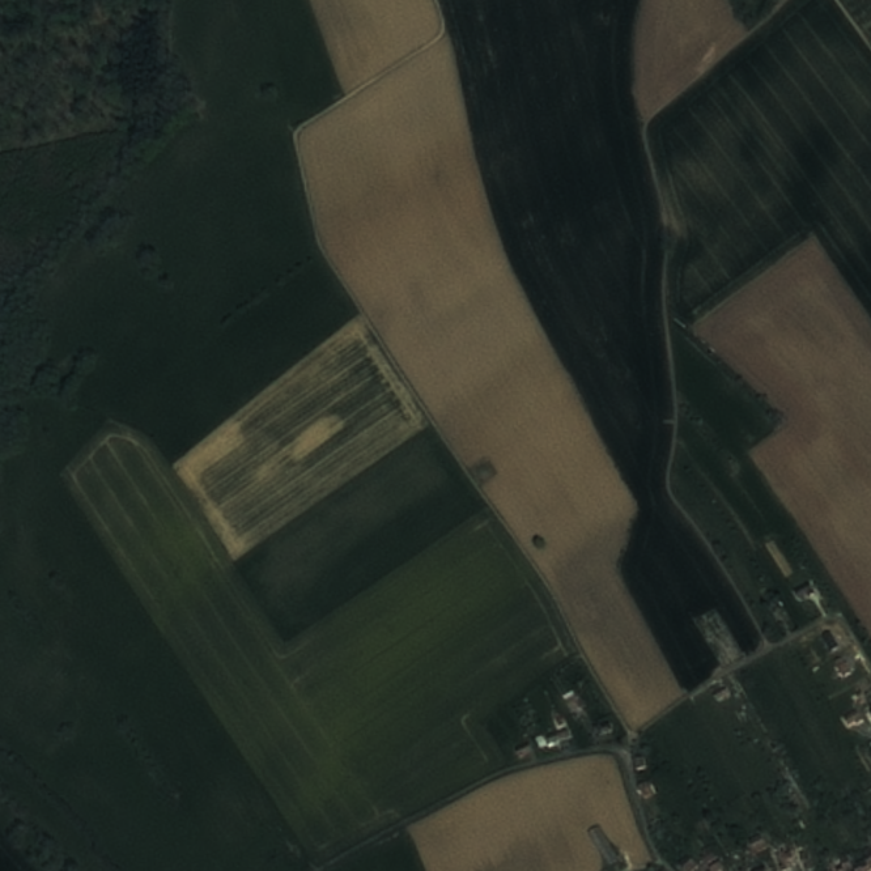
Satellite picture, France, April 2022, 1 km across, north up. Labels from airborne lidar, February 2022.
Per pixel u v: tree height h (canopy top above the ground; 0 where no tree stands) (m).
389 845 0
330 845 0
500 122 0
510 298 0
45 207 9
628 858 0
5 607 0
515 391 0
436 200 0
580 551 0
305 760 0
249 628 0
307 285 0
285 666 0
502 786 0
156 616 0
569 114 0
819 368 0
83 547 0
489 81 0
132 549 0
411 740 0
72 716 0
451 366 0
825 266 0
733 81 0
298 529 0
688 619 0
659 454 0
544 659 0
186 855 0
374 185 0
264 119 0
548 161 0
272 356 0
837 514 0
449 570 0
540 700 0
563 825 0
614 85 0
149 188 0
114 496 0
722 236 0
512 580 0
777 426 8
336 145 0
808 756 0
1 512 0
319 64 0
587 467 0
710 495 0
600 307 0
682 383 0
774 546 0
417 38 0
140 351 0
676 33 0
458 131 0
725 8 0
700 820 0
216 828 0
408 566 0
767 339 0
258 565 0
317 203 0
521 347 0
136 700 0
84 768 0
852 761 0
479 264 0
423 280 0
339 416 0
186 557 0
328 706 0
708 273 0
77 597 0
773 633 7
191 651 0
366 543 0
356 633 0
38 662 0
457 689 0
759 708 0
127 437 0
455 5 0
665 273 0
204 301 0
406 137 0
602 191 0
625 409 0
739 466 0
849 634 0
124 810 0
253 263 0
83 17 30
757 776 0
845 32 0
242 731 0
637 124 0
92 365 12
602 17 0
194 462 0
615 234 0
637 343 0
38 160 9
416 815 0
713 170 0
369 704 0
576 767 0
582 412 0
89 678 0
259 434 0
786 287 0
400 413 0
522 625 0
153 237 0
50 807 0
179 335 0
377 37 0
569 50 0
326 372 0
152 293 0
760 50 0
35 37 28
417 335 0
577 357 0
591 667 0
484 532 0
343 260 0
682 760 0
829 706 0
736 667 0
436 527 0
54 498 0
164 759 0
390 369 0
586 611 0
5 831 0
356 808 0
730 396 0
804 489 0
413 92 0
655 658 0
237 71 0
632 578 0
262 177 0
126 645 0
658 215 0
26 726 0
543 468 0
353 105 0
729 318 0
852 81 0
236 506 0
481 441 0
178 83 22
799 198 0
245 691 0
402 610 0
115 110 30
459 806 0
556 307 0
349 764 0
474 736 0
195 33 0
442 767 0
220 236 0
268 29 0
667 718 0
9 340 20
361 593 0
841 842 0
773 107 0
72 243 11
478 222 0
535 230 0
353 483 0
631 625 0
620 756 0
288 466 0
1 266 8
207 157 0
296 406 0
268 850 0
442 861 0
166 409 0
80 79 29
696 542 0
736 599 0
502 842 0
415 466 0
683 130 0
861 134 0
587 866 0
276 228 0
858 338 0
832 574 0
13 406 23
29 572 0
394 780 0
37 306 14
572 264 0
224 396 0
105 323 0
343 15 0
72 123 28
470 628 0
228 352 0
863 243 0
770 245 0
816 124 0
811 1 0
